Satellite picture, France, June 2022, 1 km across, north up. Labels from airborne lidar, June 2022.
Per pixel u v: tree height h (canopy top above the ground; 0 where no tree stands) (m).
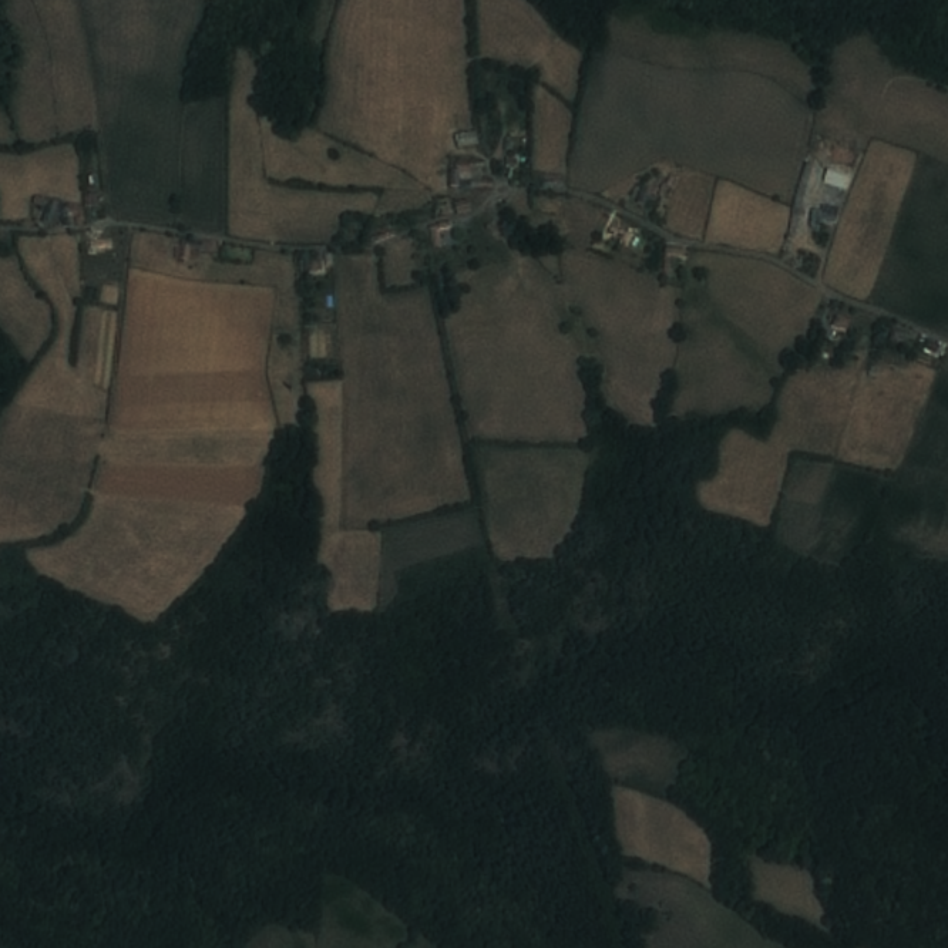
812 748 30
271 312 0
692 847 0
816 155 0
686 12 15
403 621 12
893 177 0
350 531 0
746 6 15
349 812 18
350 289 0
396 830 18
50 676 11
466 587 10
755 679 11
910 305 0
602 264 0
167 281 0
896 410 0
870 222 0
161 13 0
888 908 17
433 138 0
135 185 0
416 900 16
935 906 21
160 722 7
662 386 10
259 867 17
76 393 0
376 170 0
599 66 0
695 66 0
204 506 0
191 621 10
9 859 16
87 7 0
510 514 0
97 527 0
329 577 10
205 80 18
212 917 17
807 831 18
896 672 16
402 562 0
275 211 0
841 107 0
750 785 18
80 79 0
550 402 0
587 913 21
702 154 0
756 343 0
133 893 15
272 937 0
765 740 22
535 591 21
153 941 19
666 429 15
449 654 16
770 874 0
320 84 10
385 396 0
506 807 22
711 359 0
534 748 11
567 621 12
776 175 0
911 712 26
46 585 11
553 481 0
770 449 0
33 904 19
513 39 0
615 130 0
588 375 15
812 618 10
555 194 7
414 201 0
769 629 11
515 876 15
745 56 0
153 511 0
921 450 0
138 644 6
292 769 20
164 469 0
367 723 18
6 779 22
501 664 10
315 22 0
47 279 0
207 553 0
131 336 0
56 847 24
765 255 0
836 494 0
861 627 13
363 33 0
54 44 0
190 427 0
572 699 11
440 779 8
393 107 0
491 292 0
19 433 0
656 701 19
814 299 0
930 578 12
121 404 0
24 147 14
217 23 16
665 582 13
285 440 11
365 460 0
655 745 0
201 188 0
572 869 19
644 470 16
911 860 17
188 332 0
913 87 0
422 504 0
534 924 29
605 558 11
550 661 9
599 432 9
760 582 13
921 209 0
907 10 19
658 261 9
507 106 0
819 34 17
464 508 7
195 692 12
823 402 0
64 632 10
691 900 0
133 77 0
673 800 14
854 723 30
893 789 20
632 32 0
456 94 0
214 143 0
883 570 11
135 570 0
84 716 10
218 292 0
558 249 15
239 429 0
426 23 0
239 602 9
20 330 0
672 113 0
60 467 0
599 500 7
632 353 0
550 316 0
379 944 0
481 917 18
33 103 0
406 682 14
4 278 0
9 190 0
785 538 0
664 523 9
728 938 0
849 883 21
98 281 0
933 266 0
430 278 6
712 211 0
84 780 9
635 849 0
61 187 0
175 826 21
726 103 0
